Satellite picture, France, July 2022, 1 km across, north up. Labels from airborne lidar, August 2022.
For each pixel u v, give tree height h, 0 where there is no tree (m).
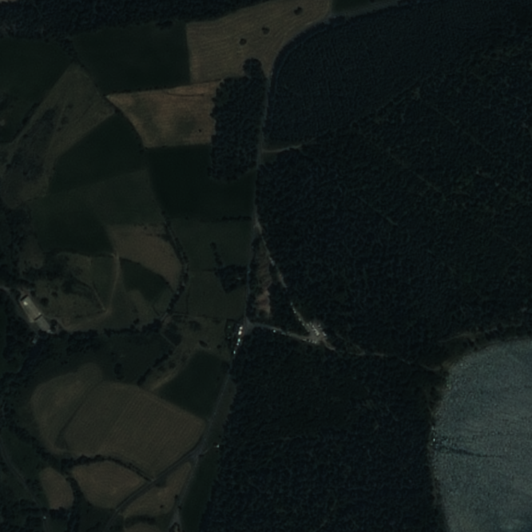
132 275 0
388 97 18
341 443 18
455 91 8
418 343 26
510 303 15
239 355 16
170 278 0
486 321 24
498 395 0
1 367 0
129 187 0
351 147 16
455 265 9
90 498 0
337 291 10
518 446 0
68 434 0
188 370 0
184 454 0
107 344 0
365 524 22
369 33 18
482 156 9
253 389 18
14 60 0
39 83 0
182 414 0
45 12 25
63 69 0
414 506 13
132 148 0
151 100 0
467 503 0
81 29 18
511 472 0
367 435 13
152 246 0
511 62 8
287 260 24
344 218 25
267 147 0
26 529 6
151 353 0
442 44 22
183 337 0
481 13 19
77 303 0
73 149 0
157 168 0
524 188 19
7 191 0
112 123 0
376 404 20
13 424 9
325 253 19
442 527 7
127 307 0
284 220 14
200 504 0
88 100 0
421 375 14
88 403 0
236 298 0
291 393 7
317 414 7
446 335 13
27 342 7
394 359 12
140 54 0
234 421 20
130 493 0
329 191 14
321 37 20
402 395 17
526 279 18
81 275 0
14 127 0
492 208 20
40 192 0
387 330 19
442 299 19
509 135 15
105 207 0
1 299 12
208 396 0
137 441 0
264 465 6
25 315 0
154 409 0
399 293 14
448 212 8
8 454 0
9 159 0
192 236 0
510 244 5
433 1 16
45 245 0
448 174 13
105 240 0
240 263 0
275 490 7
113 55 0
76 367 0
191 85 0
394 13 20
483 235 10
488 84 5
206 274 0
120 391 0
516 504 0
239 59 0
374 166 12
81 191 0
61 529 0
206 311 0
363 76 16
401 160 10
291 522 8
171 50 0
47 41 8
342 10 0
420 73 18
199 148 0
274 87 18
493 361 0
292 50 17
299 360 7
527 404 0
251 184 0
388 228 15
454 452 0
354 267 28
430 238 13
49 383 0
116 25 13
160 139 0
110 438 0
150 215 0
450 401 0
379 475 23
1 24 24
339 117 18
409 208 13
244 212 0
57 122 0
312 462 26
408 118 14
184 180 0
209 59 0
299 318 0
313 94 13
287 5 0
